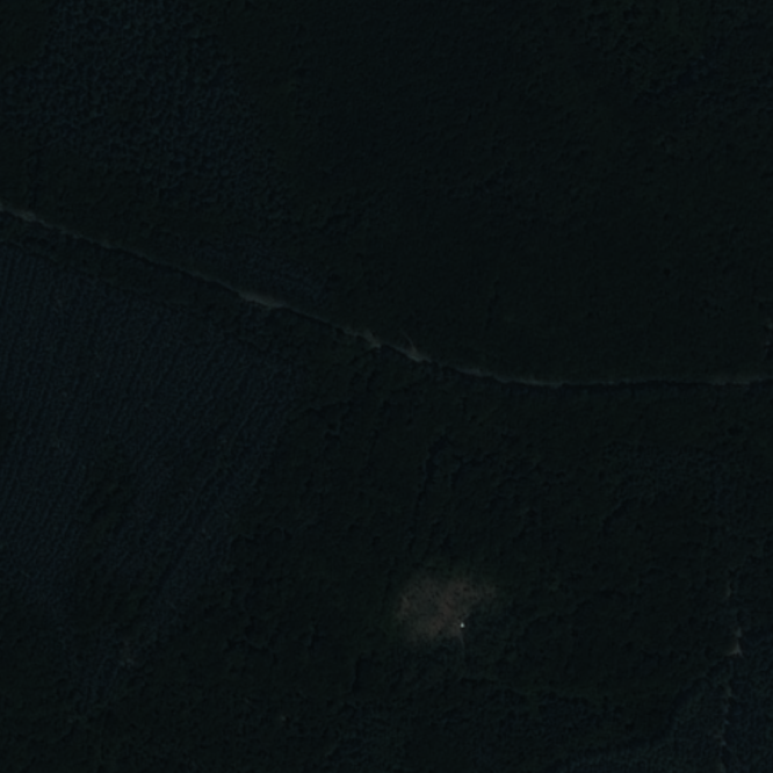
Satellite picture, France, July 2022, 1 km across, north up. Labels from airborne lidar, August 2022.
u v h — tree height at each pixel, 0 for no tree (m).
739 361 22
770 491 23
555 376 13
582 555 23
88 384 23
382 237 23
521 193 19
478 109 12
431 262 19
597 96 11
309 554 15
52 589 18
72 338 26
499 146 15
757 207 20
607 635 24
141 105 21
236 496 24
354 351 9
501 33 15
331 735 17
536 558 14
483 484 29
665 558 23
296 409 20
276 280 24
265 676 26
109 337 20
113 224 22
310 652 23
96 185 24
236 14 25
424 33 19
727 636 27
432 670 21
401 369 19
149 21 24
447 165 18
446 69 18
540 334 21
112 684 22
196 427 23
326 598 17
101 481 15
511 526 24
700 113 22
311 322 15
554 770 26
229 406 20
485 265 18
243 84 26
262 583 25
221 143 23
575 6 19
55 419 24
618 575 29
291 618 21
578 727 21
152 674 23
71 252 22
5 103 12
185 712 16
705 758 24
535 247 16
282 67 25
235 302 18
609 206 18
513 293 20
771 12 14
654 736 22
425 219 16
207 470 27
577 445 25
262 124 24
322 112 22
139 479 25
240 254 20
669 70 9
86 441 22
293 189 24
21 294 24
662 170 17
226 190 22
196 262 19
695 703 29
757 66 15
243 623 10
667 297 23
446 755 20
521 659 24
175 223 24
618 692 14
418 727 16
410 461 29
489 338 17
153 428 24
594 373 20
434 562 12
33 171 14
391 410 24
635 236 21
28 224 7
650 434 23
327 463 22
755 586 24
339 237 22
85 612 20
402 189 20
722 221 18
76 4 27
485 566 15
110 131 29
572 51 11
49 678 19
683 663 21
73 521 24
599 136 7
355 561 19
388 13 21
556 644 26
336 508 23
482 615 10
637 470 11
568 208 9
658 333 22
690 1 9
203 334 22
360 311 26
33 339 22
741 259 20
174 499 21
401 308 21
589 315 18
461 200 21
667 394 27
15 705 22
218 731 21
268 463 12
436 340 21
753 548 25
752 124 7
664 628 25
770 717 29
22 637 21
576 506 29
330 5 24
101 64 22
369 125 21
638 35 10
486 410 25
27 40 27
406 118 19
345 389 12
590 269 16
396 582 13
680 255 21
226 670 23
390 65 21
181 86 28
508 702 14
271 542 23
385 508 29
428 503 28
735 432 23
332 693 22
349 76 22
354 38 22
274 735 21
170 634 16
